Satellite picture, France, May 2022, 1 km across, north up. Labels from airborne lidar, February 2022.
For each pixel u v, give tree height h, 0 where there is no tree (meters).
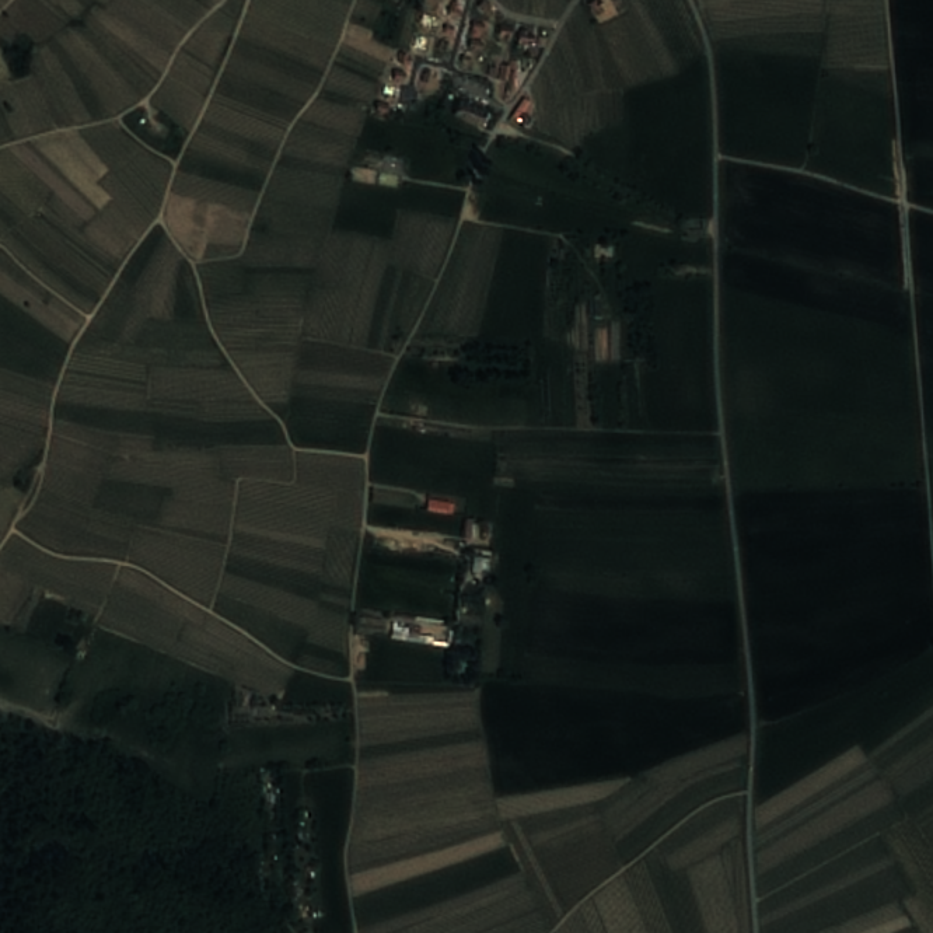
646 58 0
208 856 13
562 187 0
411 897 0
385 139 0
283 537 0
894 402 0
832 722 0
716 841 0
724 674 0
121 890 6
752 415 0
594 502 0
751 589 0
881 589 0
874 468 0
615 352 0
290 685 0
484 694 0
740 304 0
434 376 0
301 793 0
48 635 0
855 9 0
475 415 0
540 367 0
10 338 0
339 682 0
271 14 0
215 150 0
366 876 0
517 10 0
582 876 0
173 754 0
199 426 0
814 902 0
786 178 0
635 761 0
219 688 0
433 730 0
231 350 0
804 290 0
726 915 0
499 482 0
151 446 0
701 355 0
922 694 0
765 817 0
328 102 0
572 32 0
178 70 0
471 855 0
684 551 0
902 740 0
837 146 0
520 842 0
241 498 0
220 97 0
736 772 0
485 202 0
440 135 0
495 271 0
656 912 0
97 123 0
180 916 6
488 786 0
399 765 0
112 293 0
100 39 0
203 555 0
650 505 0
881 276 0
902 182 0
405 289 0
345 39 0
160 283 0
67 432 0
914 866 0
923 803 0
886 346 0
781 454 0
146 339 0
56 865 21
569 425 0
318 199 0
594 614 0
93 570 0
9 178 0
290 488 0
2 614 0
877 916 0
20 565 0
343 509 0
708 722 0
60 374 0
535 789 0
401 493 0
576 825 0
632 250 0
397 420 0
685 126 0
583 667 0
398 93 0
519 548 0
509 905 0
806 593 0
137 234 0
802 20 0
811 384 0
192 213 0
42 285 0
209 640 0
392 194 0
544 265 0
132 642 0
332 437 0
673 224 0
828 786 0
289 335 0
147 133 0
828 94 0
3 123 0
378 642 0
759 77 0
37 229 0
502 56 0
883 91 0
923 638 0
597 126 0
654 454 0
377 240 0
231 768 0
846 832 0
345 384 0
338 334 0
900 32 0
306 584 0
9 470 0
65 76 0
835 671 0
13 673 0
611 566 0
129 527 0
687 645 0
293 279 0
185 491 0
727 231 0
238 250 0
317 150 0
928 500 0
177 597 0
